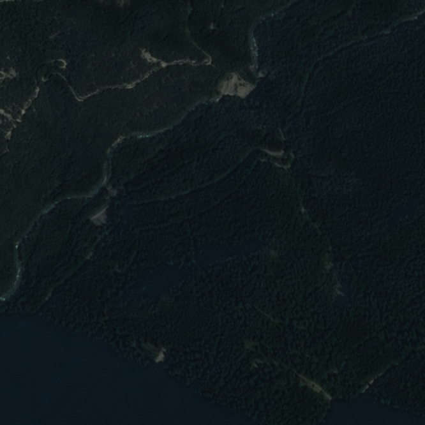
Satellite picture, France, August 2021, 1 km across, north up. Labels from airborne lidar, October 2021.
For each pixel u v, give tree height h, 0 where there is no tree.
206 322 23
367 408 15
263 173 15
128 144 10
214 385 25
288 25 15
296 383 11
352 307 26
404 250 24
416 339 12
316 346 33
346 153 16
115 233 16
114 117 9
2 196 23
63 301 21
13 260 14
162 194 17
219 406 17
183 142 18
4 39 24
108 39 16
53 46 24
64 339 26
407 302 17
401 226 12
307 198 13
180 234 20
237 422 29
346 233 15
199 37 20
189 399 37
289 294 24
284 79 11
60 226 14
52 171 14
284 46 20
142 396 8
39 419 22
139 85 20
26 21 28
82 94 11
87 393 27
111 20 18
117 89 13
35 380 20
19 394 16
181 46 17
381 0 25
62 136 21
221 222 18
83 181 20
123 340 16
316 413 19
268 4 11
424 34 15
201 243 21
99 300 9
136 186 20
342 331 17
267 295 26
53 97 20
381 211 18
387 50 16
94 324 20
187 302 18
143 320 10
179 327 27
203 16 23
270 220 16
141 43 17
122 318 13
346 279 22
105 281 12
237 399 21
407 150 18
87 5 16
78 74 17
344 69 16
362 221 11
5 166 22
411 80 21
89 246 15
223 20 17
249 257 26
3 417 13
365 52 17
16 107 7
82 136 19
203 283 26
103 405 17
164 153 21
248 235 23
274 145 25
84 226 23
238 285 19
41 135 13
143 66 15
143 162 11
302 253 25
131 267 15
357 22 14
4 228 14
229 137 15
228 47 22
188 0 23
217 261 9
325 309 23
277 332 14
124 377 27
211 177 16
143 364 30
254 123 10
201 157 21
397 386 17
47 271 17
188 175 16
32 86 15
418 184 11
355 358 10
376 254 21
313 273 28
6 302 7
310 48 10
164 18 15
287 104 18
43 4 10
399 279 28
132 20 15
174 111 15
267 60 10
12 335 15
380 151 18
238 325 22
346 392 6
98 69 21
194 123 14
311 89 14
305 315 33
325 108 18
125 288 11
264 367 12
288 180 12
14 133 17
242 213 20
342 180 14
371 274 25
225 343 24
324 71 18
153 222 16
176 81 19
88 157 24
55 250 19
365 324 13
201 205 17
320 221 13
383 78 21
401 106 21
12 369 20
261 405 27
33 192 16
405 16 11
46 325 23
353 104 12
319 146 17
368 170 17
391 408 12
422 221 21
